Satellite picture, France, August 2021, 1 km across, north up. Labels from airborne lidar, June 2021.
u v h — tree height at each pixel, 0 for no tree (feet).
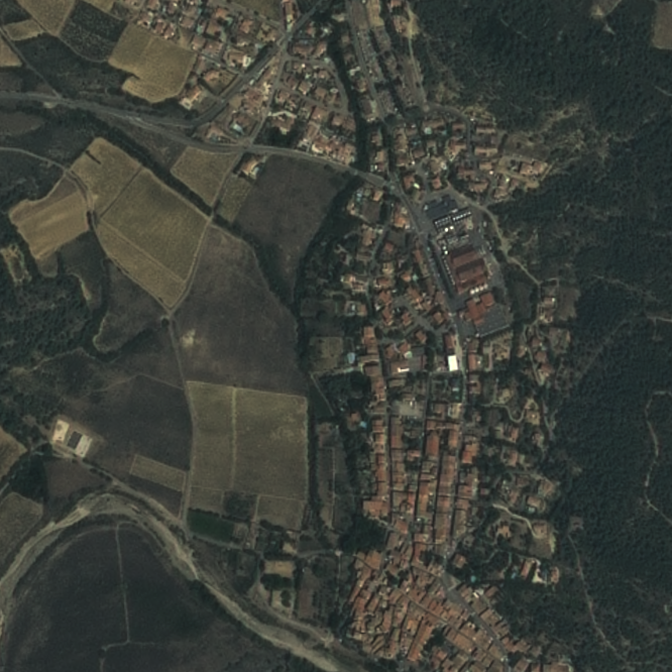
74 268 0
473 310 0
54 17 0
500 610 26
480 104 18
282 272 0
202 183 0
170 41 0
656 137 29
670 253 22
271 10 0
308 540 25
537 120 28
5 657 0
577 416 35
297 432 0
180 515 0
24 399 33
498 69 30
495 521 21
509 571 19
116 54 0
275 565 0
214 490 0
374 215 0
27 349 47
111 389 0
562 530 27
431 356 43
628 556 21
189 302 0
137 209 0
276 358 0
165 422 0
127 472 0
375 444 0
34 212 0
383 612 0
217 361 0
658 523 40
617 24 22
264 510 0
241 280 0
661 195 27
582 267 23
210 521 0
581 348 21
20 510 0
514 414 0
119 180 0
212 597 49
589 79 27
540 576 22
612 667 31
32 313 32
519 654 35
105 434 0
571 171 29
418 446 35
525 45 26
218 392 0
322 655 0
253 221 0
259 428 0
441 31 22
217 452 0
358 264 50
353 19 0
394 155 27
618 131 25
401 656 24
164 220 0
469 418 38
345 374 24
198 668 0
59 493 0
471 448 0
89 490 21
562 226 0
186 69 0
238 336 0
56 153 0
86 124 19
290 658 41
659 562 37
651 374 29
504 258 23
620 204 21
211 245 0
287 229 0
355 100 24
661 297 21
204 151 0
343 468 0
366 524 67
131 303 0
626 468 26
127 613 0
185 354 0
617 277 28
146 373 0
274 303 0
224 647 0
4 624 0
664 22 0
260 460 0
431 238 23
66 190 0
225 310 0
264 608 0
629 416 30
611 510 30
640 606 22
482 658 0
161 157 0
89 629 0
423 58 18
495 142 0
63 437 0
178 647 0
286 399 0
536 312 24
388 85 35
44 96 0
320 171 0
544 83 32
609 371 22
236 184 0
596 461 32
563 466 30
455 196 0
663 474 28
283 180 0
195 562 0
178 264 0
